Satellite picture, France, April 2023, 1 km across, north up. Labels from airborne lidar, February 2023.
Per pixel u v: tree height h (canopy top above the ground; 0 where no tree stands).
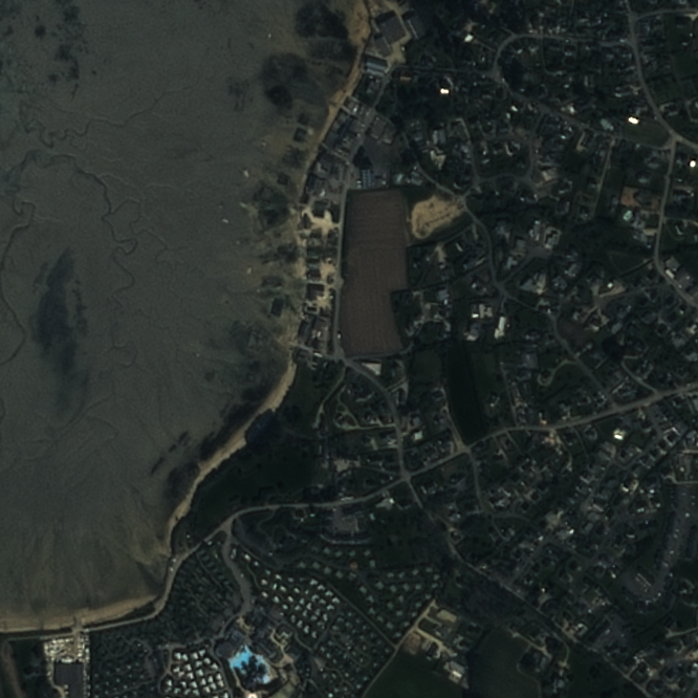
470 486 6
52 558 0
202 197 0
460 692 0
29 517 0
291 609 9
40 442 0
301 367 0
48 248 0
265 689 6
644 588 0
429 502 10
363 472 0
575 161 0
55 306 0
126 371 0
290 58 0
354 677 6
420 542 12
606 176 0
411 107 22
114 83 0
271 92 0
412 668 0
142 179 0
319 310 0
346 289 0
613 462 0
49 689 10
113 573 0
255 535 0
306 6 0
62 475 0
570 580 0
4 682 0
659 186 0
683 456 0
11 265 0
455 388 0
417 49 0
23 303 0
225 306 0
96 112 0
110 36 0
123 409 0
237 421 0
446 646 0
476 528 13
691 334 0
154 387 0
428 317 0
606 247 0
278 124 0
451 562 20
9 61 0
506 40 0
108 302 0
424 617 0
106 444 0
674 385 9
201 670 0
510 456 0
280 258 0
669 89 10
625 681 6
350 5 0
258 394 0
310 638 12
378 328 0
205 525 0
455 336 8
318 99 0
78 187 0
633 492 0
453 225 0
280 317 0
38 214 0
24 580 0
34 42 0
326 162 0
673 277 0
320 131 0
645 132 0
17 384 0
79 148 0
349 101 0
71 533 0
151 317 0
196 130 0
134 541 0
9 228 0
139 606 0
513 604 14
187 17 0
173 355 0
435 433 0
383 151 0
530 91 14
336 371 7
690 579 0
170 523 0
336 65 0
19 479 0
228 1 0
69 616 0
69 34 0
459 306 0
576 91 16
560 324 0
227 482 0
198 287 0
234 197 0
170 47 0
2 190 0
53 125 0
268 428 23
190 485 0
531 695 0
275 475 0
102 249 0
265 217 0
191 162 0
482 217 6
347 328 0
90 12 0
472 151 0
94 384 0
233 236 0
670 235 0
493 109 9
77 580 0
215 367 0
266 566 9
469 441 0
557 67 7
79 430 0
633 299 0
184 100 0
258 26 0
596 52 8
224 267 0
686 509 0
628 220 0
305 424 0
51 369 0
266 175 0
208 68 0
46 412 0
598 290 0
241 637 0
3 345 0
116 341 0
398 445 0
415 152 15
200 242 0
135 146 0
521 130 0
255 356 0
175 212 0
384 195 0
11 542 0
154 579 0
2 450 0
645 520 0
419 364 0
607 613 6
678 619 0
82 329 0
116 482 0
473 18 22
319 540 7
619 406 0
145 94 0
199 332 0
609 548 0
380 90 0
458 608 18
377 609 10
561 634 10
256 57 0
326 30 0
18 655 7
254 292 0
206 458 0
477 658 13
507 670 0
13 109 0
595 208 0
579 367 0
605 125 0
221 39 0
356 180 0
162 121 0
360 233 0
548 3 0
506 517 0
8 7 0
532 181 0
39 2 0
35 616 0
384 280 0
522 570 0
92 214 0
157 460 0
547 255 0
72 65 0
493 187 0
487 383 0
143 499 0
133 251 0
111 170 0
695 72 0
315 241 0
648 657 0
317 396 0
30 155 0
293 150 0
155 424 0
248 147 0
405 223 0
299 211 0
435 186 7
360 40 0
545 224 0
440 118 11
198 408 0
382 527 10
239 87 0
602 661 11
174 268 0
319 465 0
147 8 0
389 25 0
